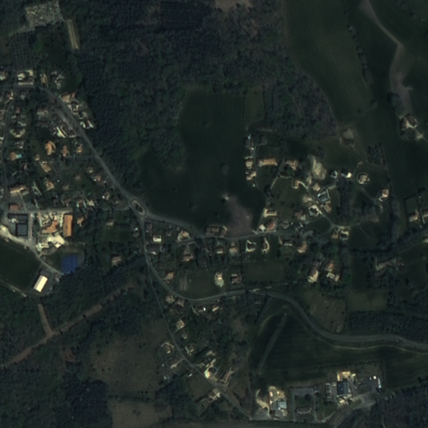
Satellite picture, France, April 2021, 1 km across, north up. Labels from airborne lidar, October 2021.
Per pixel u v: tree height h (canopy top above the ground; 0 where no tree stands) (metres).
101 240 15
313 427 8
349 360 0
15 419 21
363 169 0
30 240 0
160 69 29
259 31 18
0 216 11
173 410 14
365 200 0
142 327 10
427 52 0
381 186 0
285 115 17
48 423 18
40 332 16
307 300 0
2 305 23
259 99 0
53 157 10
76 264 0
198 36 19
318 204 0
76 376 18
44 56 8
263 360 8
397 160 0
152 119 25
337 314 0
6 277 0
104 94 20
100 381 0
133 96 21
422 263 0
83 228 11
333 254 20
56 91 7
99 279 22
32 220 0
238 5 0
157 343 0
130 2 25
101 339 13
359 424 0
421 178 0
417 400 13
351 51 0
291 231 8
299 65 0
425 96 0
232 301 14
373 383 0
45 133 0
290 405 11
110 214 6
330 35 0
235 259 7
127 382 0
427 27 0
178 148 18
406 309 15
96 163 10
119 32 22
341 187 13
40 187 9
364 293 0
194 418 17
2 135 0
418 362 0
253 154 0
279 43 24
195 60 15
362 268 0
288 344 0
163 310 9
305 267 14
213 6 12
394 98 17
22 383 13
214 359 0
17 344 12
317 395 8
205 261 14
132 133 28
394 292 15
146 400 8
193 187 0
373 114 0
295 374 0
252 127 0
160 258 18
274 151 0
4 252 0
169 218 0
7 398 26
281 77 25
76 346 7
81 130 12
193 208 10
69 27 0
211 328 13
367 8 0
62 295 20
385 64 0
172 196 0
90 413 18
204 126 9
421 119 0
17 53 8
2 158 0
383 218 0
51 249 0
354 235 0
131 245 13
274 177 11
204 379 0
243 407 17
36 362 11
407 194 0
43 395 15
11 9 27
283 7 18
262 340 0
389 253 13
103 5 20
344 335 9
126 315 23
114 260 0
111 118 18
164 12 10
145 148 18
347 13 9
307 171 13
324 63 0
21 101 8
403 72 0
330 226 0
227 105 0
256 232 0
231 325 12
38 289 0
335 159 0
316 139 13
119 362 0
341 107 0
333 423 11
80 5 17
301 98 23
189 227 0
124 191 0
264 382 0
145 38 25
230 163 0
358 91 0
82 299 18
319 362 0
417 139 0
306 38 0
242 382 0
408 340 12
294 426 7
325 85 0
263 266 0
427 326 18
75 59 21
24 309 15
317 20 0
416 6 0
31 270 0
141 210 7
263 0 21
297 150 0
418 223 0
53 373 14
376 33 0
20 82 0
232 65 21
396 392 0
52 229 0
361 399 0
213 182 0
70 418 22
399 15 0
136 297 8
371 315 11
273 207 9
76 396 24
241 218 0
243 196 0
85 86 21
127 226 12
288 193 0
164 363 11
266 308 16
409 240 21
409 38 0
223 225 0
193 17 11
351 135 0
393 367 0
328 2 0
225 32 20
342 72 0
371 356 0
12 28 24
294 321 0
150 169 0
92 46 24
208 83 23
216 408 17
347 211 16
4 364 13
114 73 23
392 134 0
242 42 25
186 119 0
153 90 16
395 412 13
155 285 11
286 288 6
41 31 7
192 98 0
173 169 20
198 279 0
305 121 10
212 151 0
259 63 17
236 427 0
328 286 9
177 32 14
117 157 21
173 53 19
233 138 0
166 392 16
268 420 10
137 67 23
